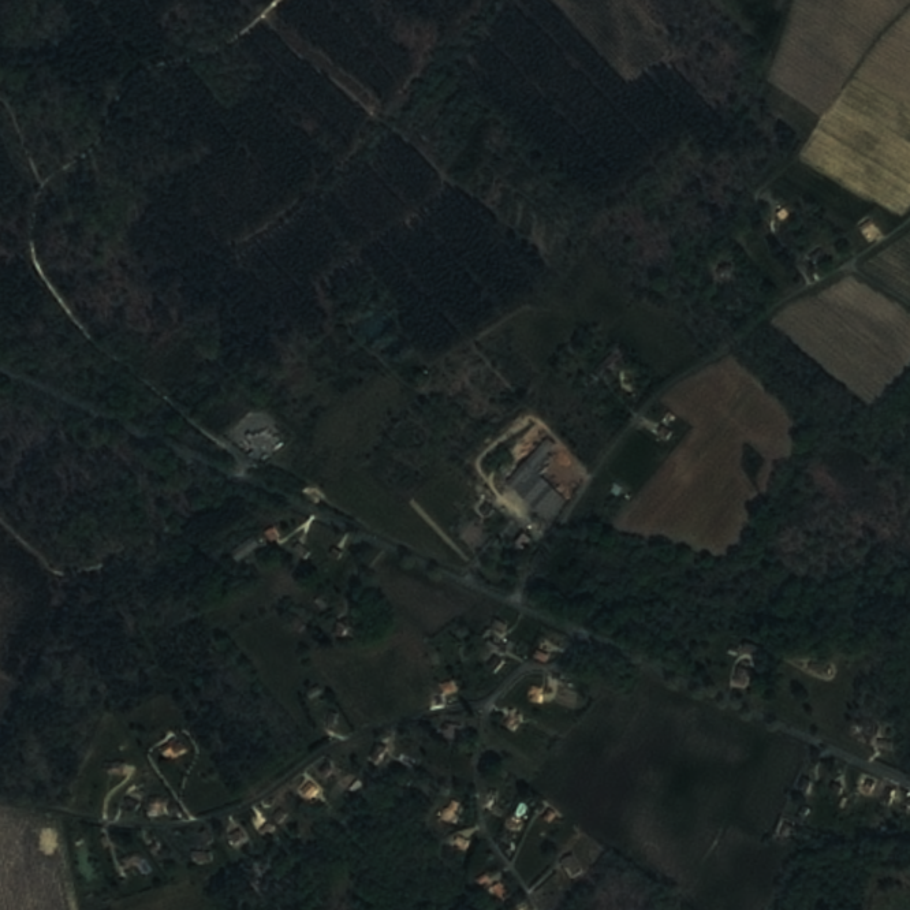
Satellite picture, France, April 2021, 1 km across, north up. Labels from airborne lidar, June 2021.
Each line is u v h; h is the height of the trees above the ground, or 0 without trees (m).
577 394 11
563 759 0
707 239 14
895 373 0
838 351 0
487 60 14
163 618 7
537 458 0
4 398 15
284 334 8
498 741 0
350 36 16
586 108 14
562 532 16
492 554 11
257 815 0
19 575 6
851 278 0
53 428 14
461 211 16
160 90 16
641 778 0
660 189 18
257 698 19
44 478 17
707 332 12
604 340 8
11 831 0
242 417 7
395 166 15
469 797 9
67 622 20
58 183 12
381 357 9
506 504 0
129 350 15
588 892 16
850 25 0
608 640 15
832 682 0
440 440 9
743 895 0
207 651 6
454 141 9
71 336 16
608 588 13
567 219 9
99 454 10
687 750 0
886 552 16
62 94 19
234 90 11
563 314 0
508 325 0
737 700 19
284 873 14
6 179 15
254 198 16
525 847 0
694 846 0
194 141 17
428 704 0
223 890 23
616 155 17
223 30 11
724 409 0
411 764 0
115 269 9
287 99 12
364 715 0
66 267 13
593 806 0
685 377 0
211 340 19
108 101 17
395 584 0
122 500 15
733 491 0
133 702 11
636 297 7
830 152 0
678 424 0
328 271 15
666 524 0
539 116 17
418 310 17
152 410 14
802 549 9
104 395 16
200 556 18
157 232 16
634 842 0
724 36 12
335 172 10
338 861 23
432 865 14
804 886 18
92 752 8
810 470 6
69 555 9
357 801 18
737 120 12
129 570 20
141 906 0
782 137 14
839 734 0
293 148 17
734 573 13
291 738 14
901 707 12
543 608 20
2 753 22
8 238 14
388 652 0
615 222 11
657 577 16
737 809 0
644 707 0
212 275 14
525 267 11
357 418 0
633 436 0
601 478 0
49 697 12
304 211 14
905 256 0
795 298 0
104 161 20
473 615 0
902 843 19
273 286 14
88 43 21
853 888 15
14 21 16
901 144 0
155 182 15
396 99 12
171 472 20
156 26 16
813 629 25
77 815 0
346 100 16
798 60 0
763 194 0
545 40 15
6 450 9
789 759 0
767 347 13
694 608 10
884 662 14
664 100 18
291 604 7
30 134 10
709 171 7
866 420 12
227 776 14
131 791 0
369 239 15
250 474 9
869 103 0
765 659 18
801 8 0
